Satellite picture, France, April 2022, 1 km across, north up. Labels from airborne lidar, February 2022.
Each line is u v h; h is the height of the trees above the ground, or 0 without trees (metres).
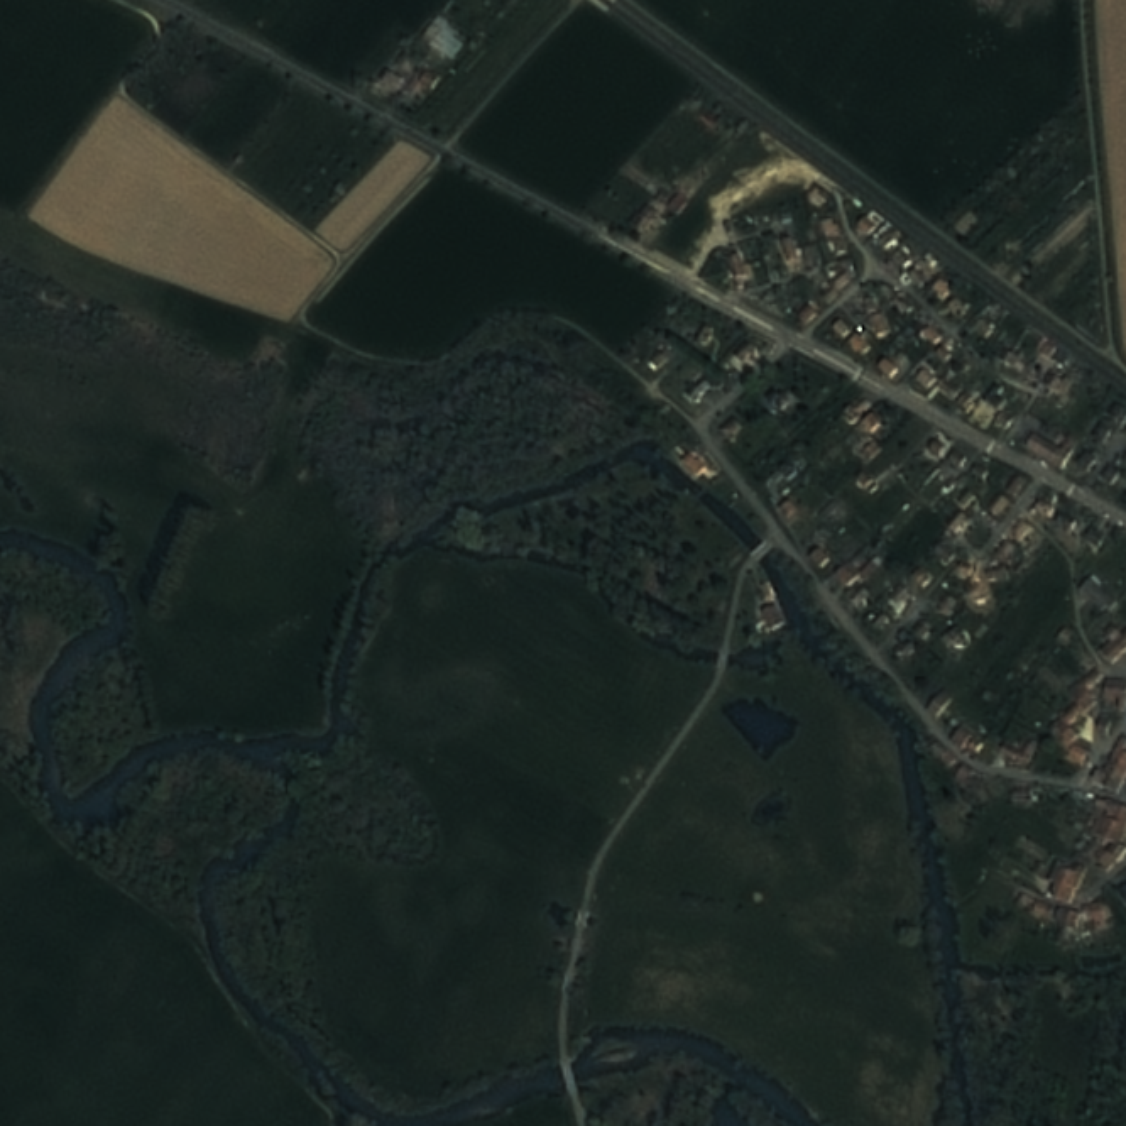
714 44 0
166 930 0
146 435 0
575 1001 17
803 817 0
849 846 0
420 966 0
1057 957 0
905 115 0
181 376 0
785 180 0
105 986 0
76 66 0
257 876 13
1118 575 0
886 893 0
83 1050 0
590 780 0
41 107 0
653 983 0
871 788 0
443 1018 0
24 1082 0
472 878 0
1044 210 0
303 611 0
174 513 0
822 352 0
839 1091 0
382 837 14
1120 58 0
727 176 0
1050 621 0
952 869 0
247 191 0
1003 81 0
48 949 0
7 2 0
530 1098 0
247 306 0
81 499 0
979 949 0
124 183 0
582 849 0
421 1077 0
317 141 0
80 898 0
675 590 26
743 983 0
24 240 0
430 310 0
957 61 0
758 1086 0
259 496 0
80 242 0
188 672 0
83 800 0
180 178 0
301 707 0
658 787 0
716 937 0
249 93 0
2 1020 0
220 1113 0
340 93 0
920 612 0
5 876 0
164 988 0
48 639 0
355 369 7
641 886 0
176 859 6
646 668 0
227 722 0
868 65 0
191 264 0
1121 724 0
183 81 0
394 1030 0
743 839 0
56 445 0
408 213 0
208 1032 0
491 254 0
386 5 0
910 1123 0
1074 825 0
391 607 15
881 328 0
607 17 0
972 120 0
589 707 0
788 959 0
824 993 0
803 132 0
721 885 0
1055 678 0
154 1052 0
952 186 0
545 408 20
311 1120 0
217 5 0
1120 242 0
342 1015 0
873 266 0
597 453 15
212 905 0
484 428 13
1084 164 0
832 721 0
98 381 0
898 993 0
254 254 0
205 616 0
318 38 0
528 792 0
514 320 10
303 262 0
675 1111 16
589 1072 0
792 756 0
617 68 0
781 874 0
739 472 0
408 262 0
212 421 0
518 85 0
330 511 0
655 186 0
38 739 0
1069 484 0
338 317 0
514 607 0
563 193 0
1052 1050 0
